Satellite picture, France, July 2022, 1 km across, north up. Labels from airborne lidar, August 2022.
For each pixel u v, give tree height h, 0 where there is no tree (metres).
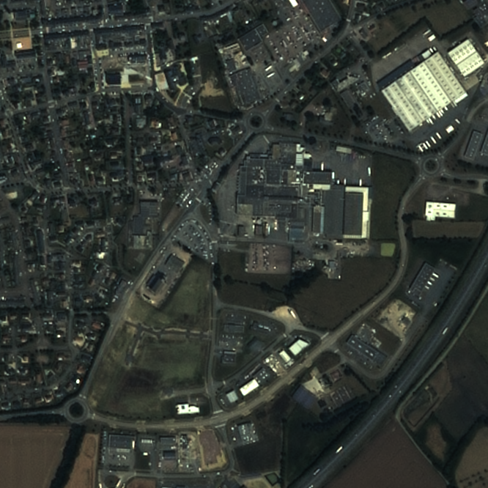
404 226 0
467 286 0
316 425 10
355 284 0
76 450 16
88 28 0
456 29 6
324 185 0
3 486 0
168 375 0
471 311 7
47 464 0
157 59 0
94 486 0
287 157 0
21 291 0
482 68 0
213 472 0
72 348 0
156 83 0
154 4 0
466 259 0
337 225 0
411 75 0
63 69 9
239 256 0
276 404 0
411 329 0
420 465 0
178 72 0
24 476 0
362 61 0
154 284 0
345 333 0
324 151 0
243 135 0
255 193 0
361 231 0
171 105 0
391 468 0
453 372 0
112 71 0
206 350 0
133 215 0
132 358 0
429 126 0
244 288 0
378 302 0
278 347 0
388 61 0
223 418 0
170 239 0
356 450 0
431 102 0
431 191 0
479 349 0
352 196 0
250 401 0
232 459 0
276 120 0
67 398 9
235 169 0
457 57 0
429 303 0
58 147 0
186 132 0
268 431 0
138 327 0
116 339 0
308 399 0
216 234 0
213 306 0
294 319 0
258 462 0
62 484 13
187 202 0
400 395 0
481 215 0
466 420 0
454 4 0
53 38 0
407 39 0
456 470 0
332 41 0
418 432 0
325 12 0
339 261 0
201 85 0
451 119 0
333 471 0
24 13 0
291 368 0
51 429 0
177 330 0
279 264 0
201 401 0
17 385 0
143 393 0
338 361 0
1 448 0
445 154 0
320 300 0
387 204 0
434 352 0
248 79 0
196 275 0
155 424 0
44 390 6
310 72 13
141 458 0
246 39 0
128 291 0
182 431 0
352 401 6
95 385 0
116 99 7
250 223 0
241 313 0
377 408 0
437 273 0
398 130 0
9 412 9
